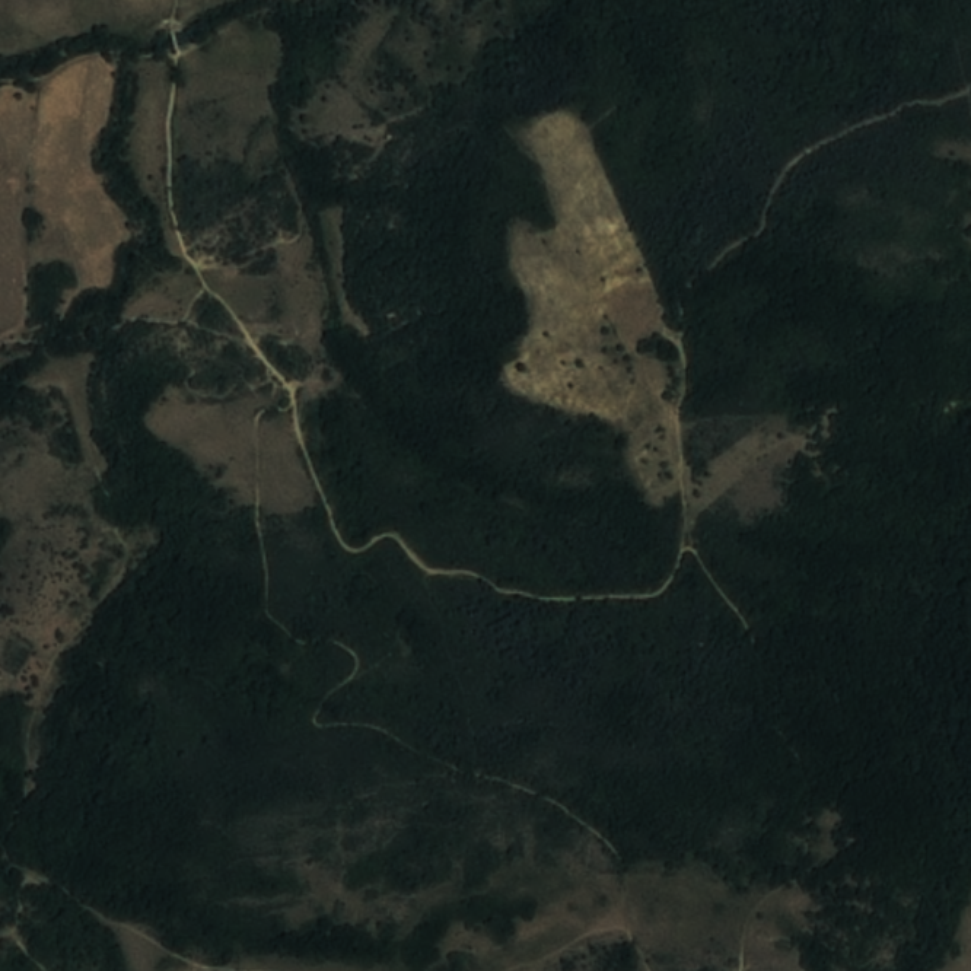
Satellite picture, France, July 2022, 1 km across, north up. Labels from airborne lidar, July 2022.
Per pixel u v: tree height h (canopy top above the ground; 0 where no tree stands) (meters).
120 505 13
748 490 0
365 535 9
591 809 8
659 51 17
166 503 7
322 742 0
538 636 9
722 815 9
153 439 7
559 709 7
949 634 19
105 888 12
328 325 7
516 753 8
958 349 14
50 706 8
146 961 0
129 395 12
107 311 9
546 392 0
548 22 8
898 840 11
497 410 7
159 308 0
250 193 6
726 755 6
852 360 6
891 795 14
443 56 0
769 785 11
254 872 7
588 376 0
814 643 14
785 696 16
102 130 8
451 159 10
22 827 7
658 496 0
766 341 8
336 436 6
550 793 9
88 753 11
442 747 9
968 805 12
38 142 0
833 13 15
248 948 7
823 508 11
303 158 9
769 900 0
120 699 17
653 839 11
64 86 0
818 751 12
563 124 0
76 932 6
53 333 8
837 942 6
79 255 0
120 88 7
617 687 9
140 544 0
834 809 8
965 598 16
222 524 10
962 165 12
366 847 0
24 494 0
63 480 0
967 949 0
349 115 0
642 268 6
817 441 11
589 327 0
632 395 0
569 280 0
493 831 0
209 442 0
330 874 0
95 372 8
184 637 9
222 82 0
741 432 0
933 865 8
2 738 9
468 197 12
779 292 13
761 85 7
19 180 0
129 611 17
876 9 13
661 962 0
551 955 0
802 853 10
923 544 18
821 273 13
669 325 8
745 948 0
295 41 12
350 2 8
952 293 11
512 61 7
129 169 5
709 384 9
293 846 0
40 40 0
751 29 9
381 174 7
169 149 0
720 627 9
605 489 8
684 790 9
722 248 9
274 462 0
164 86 0
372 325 9
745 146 9
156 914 14
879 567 10
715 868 10
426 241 11
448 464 16
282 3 14
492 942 0
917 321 23
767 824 10
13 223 0
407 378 8
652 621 7
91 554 0
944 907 17
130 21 0
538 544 11
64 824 12
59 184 0
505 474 6
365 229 6
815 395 10
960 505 15
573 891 0
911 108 6
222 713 7
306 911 0
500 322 8
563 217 0
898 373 20
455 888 0
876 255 0
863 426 15
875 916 9
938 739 14
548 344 0
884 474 19
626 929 0
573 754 0
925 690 16
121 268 10
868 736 8
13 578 0
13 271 0
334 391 8
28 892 7
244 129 0
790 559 16
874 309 13
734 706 6
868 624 15
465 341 10
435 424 8
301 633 10
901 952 12
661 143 6
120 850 6
